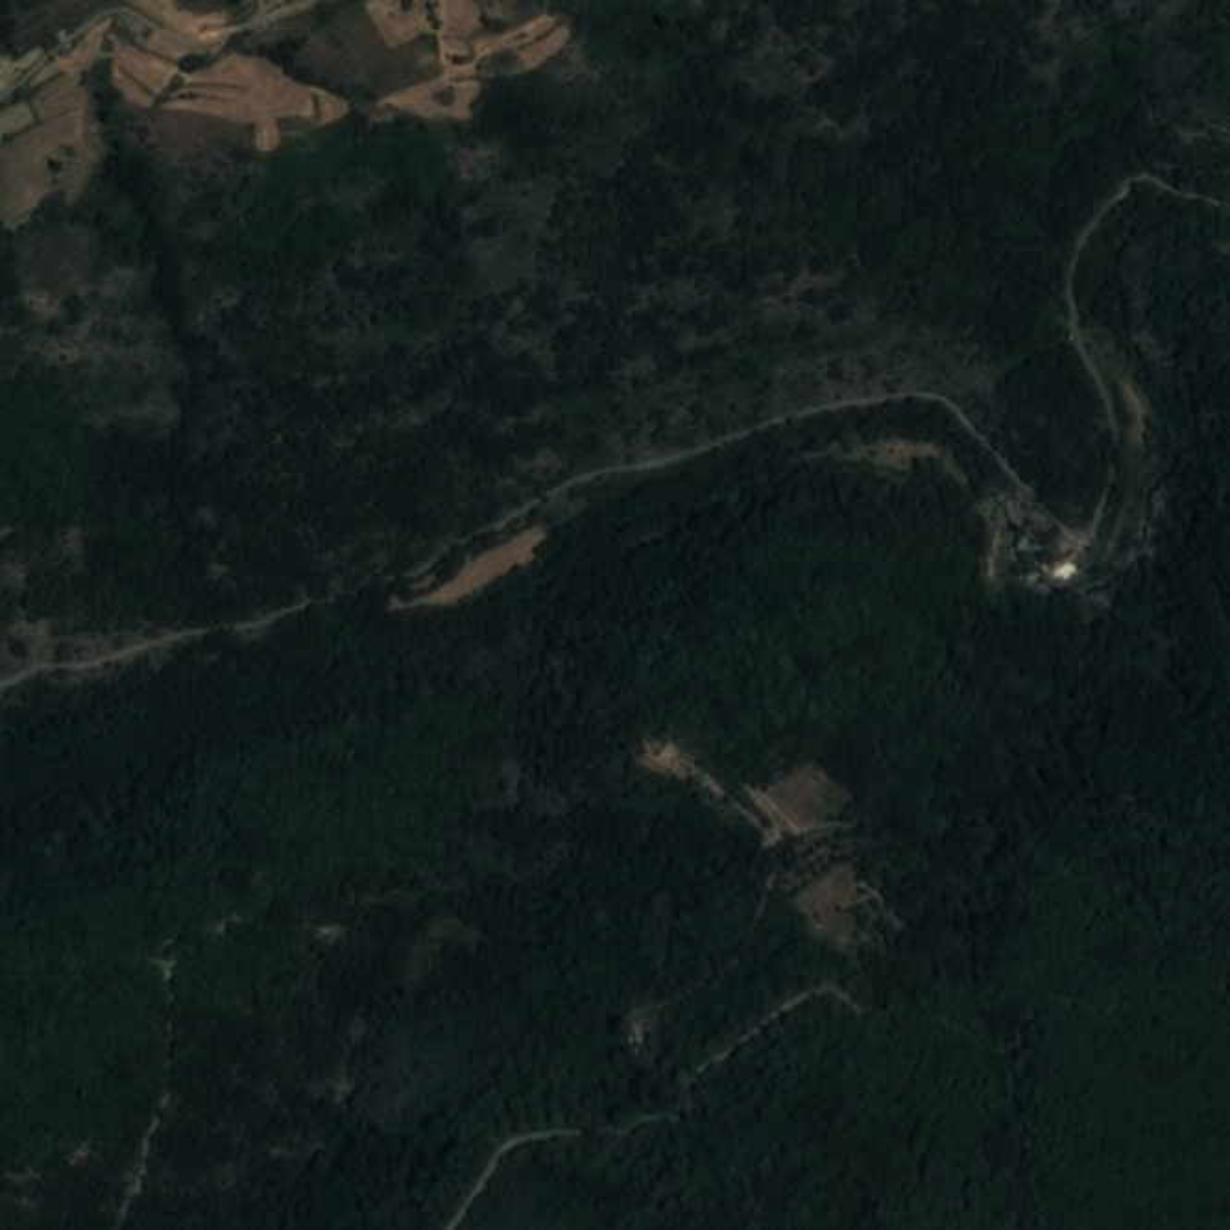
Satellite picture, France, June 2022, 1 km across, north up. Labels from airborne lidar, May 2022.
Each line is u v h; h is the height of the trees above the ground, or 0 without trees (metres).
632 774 11
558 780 14
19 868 25
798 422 13
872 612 13
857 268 10
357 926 10
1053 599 18
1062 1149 19
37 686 9
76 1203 13
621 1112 18
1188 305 13
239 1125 9
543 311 12
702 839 8
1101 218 7
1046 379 16
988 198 10
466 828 16
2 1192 10
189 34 0
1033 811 31
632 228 17
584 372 15
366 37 0
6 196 0
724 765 9
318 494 14
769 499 7
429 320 8
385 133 9
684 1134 11
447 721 15
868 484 19
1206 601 10
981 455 20
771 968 7
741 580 18
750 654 13
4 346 6
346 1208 17
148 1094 16
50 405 10
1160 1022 20
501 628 12
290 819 18
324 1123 16
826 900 0
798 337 12
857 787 9
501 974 9
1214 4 10
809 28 14
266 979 16
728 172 11
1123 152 21
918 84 16
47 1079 16
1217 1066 19
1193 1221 10
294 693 15
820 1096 10
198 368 16
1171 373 9
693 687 12
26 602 17
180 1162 14
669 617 14
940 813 16
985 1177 21
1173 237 6
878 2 8
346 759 24
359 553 11
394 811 13
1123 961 19
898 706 26
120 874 22
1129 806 11
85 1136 16
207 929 11
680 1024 8
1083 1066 18
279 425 15
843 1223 9
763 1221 8
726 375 6
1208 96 12
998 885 18
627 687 9
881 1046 16
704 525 23
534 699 23
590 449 8
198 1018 20
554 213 11
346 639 21
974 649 17
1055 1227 16
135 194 15
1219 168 13
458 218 11
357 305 12
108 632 8
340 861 12
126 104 0
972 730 21
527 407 16
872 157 15
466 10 0
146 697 23
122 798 24
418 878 16
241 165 0
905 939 19
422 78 0
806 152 17
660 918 15
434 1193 17
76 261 0
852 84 18
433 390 14
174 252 13
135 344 9
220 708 15
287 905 15
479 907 17
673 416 7
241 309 11
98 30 0
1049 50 13
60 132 0
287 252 17
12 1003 15
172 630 6
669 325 11
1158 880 16
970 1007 16
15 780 19
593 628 10
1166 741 17
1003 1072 15
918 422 17
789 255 7
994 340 13
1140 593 12
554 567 19
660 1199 9
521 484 6
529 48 0
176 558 8
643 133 7
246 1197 17
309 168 0
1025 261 12
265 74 0
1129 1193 15
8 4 13
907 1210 17
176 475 17
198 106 0
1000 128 8
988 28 13
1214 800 18
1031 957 15
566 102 6
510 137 7
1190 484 13
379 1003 16
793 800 0
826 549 19
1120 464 19
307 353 10
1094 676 14
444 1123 13
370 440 15
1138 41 8
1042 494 12
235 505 11
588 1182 7
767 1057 12
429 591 9
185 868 16
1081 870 16
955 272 12
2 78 0
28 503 14
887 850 8
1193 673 22
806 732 13
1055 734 25
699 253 13
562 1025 10
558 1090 12
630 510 19
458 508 9
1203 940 21
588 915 12
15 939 16
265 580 9
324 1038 13
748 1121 7
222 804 17
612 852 15
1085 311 9
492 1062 9
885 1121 7
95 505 14
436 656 16
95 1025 14
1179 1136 21
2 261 8
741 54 14
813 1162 12
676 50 17
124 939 15
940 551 12
